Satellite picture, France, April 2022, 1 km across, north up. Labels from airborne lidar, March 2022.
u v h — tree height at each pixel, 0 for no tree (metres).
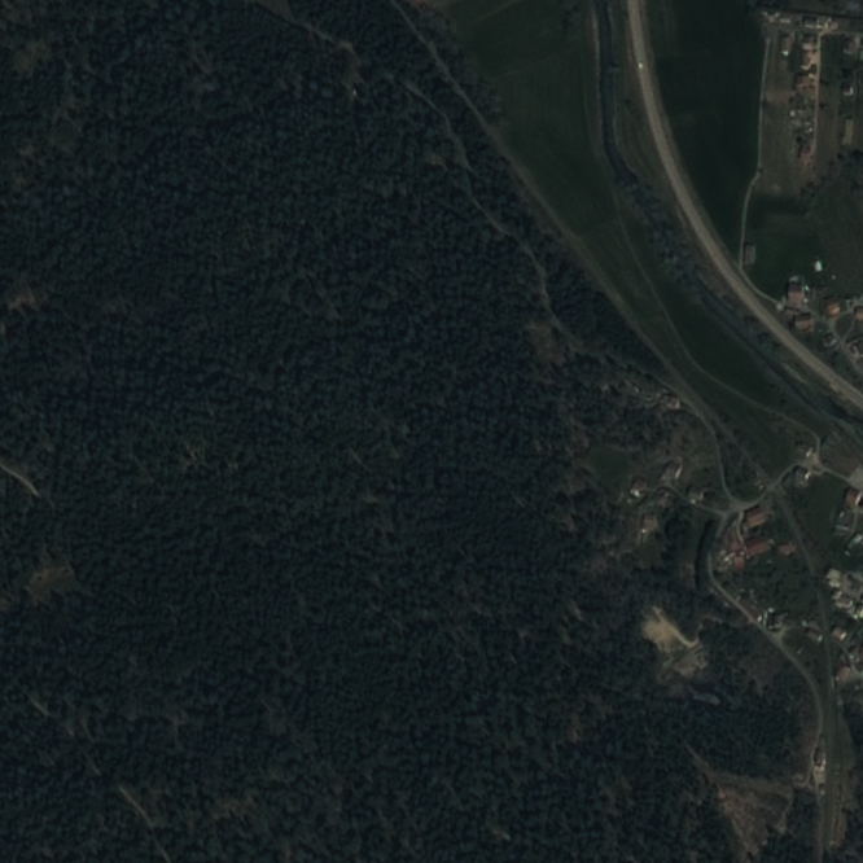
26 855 22
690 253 13
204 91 28
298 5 25
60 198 33
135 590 22
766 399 0
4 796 19
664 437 11
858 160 15
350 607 21
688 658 0
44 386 20
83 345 19
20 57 14
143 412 13
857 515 0
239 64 21
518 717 8
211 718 20
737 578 9
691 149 0
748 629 8
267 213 28
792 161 0
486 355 27
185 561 34
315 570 32
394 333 28
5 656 31
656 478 0
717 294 10
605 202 0
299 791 19
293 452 24
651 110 0
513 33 0
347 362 27
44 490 19
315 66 14
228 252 15
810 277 0
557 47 0
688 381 0
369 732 28
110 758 35
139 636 27
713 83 0
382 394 23
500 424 32
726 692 10
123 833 26
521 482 22
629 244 0
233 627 21
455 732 24
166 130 23
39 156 7
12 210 22
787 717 10
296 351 19
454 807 23
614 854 21
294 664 30
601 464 0
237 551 26
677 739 9
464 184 26
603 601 23
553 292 16
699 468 0
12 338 14
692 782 11
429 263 29
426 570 16
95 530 28
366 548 24
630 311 0
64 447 16
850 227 0
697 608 14
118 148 15
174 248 26
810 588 6
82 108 7
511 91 0
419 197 17
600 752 20
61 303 24
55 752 21
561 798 21
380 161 25
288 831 22
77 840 16
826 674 0
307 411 10
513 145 0
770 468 11
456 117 17
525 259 21
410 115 26
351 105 27
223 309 25
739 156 0
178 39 27
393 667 10
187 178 26
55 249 23
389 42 18
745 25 0
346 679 7
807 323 0
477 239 31
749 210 0
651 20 0
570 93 0
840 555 0
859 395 0
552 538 23
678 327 0
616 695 12
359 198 26
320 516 30
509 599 27
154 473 25
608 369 13
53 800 12
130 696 30
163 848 18
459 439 32
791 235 0
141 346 25
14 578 26
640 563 19
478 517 40
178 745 17
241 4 28
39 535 30
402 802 25
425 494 31
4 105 20
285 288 22
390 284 31
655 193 15
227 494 23
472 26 0
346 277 26
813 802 22
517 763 25
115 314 8
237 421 33
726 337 0
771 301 0
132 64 17
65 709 21
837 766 0
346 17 24
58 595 0
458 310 26
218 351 27
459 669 31
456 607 14
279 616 36
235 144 17
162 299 25
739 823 0
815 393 0
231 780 19
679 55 0
